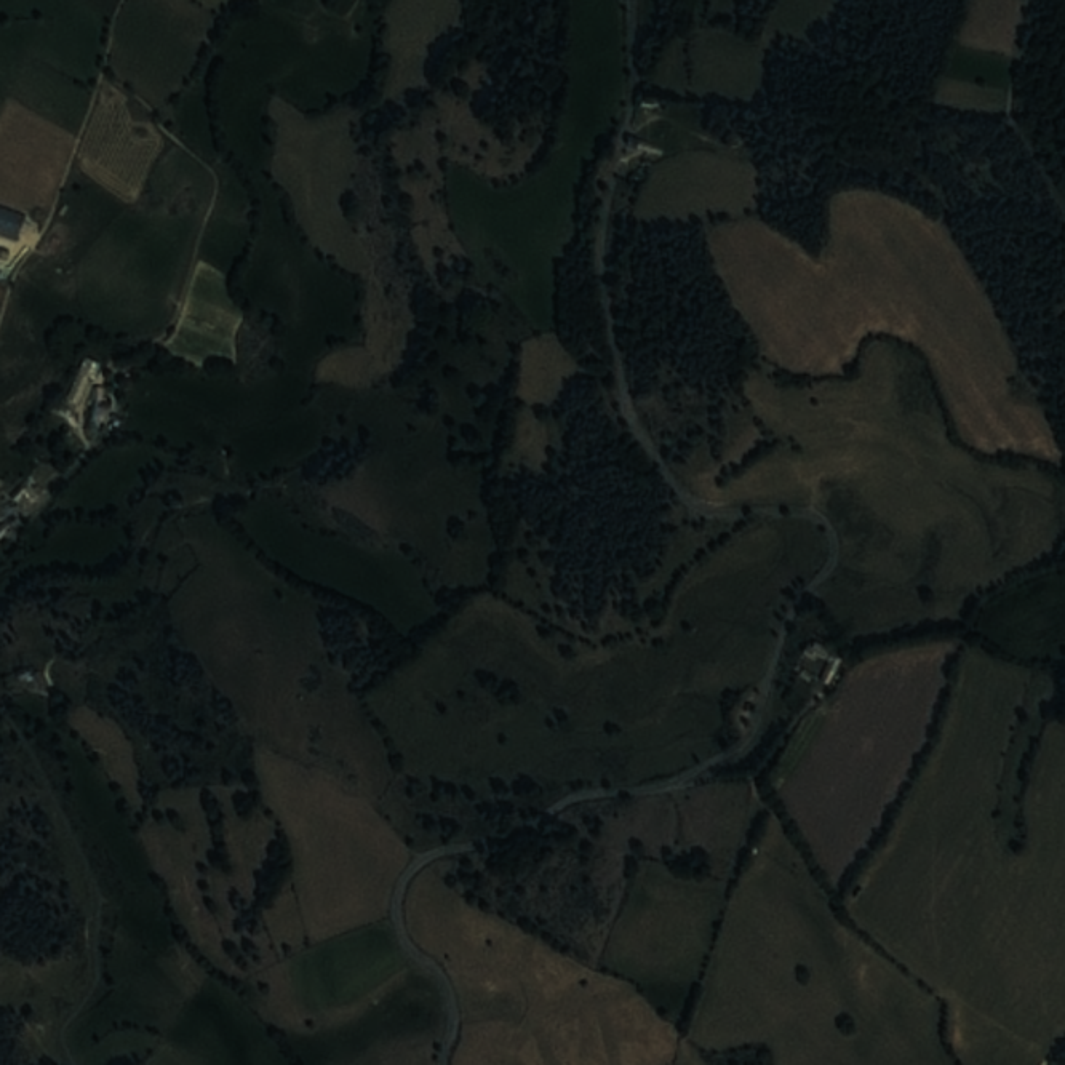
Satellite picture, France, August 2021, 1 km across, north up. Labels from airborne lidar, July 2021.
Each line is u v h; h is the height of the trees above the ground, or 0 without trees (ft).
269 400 0
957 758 0
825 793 0
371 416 0
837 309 0
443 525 0
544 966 0
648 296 41
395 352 0
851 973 0
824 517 0
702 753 0
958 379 0
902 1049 0
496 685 40
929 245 0
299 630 0
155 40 0
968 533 0
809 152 54
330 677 0
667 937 0
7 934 60
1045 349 51
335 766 0
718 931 25
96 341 39
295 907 0
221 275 0
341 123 0
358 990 0
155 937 0
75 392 0
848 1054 0
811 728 0
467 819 0
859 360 21
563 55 62
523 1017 0
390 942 0
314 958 0
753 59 0
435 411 54
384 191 0
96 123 0
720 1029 0
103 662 0
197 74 42
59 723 42
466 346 52
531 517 73
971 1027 0
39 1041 0
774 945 0
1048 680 0
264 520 0
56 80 0
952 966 0
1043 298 65
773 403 0
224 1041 0
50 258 0
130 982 0
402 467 0
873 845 34
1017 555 0
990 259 64
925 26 66
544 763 0
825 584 0
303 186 0
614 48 0
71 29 0
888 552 0
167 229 0
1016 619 0
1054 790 0
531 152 0
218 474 0
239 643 0
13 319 0
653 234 65
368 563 0
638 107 21
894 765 0
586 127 0
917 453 0
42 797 0
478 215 0
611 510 68
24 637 0
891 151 38
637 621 44
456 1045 0
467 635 0
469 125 0
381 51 37
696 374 41
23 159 0
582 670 0
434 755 0
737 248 0
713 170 0
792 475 0
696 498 0
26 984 0
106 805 0
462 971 0
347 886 0
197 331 0
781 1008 0
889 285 0
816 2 0
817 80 66
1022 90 35
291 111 0
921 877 0
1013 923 0
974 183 41
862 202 0
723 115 58
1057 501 0
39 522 0
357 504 0
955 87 0
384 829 0
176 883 0
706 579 0
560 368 0
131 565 33
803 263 0
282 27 0
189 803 0
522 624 0
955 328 0
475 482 0
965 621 39
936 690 0
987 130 58
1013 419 0
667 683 0
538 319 0
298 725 0
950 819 0
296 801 0
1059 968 0
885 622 0
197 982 0
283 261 0
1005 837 0
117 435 53
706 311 68
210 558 0
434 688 0
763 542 0
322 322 0
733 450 0
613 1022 0
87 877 0
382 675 43
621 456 56
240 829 0
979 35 0
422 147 0
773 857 0
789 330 0
